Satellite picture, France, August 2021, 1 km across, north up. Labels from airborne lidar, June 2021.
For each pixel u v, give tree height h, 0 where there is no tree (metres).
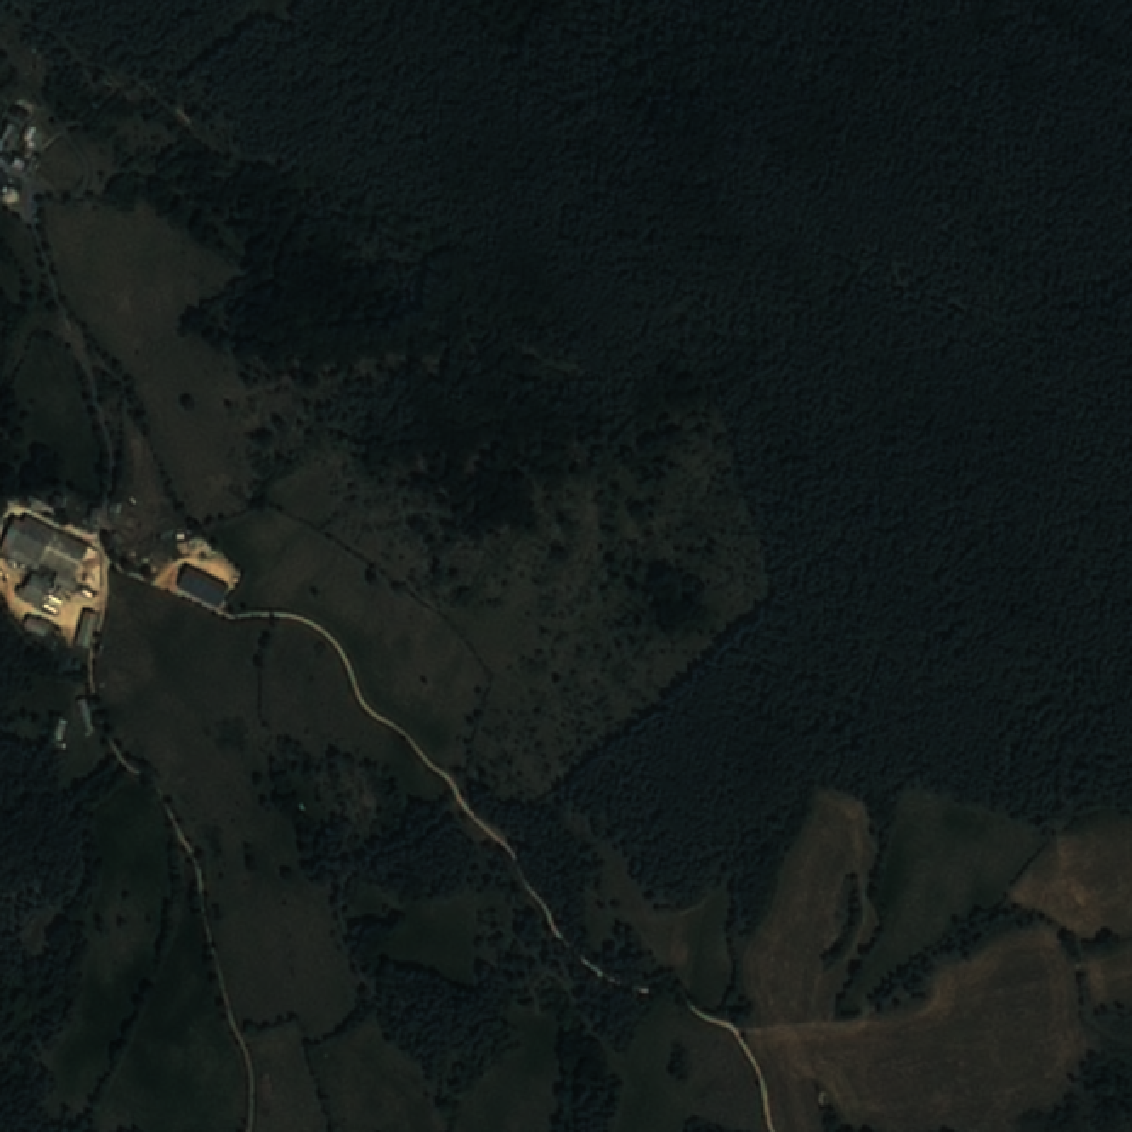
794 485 7
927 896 0
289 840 0
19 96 0
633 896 0
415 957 0
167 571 0
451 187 17
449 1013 18
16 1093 16
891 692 16
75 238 0
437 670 0
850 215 13
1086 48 15
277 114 16
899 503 15
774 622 14
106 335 0
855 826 0
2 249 15
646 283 15
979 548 15
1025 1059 0
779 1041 0
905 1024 0
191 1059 0
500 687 0
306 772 10
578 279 14
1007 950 0
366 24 18
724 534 7
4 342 6
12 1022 13
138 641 0
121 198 10
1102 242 15
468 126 16
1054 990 0
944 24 17
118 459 10
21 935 12
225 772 0
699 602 15
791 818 14
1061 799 13
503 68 15
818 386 10
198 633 0
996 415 15
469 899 0
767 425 16
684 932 0
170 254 0
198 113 13
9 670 15
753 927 7
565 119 16
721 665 14
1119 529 15
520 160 15
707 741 16
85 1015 0
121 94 7
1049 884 0
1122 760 14
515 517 13
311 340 17
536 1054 0
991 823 0
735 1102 0
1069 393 12
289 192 13
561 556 15
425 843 16
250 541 0
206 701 0
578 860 11
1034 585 17
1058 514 12
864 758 20
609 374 19
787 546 14
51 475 9
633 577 6
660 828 13
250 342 13
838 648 17
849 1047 0
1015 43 16
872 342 15
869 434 17
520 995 7
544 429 15
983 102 17
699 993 0
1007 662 16
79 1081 0
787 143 16
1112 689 16
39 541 0
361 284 19
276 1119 0
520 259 16
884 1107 0
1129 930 0
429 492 15
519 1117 0
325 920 0
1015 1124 0
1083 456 14
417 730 0
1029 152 13
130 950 0
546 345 13
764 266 17
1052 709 11
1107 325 18
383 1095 0
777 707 15
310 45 17
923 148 14
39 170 0
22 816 18
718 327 17
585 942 9
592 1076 12
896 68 14
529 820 17
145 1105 0
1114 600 12
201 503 0
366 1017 7
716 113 13
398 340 16
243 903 0
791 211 13
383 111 14
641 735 13
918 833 0
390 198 11
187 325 12
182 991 0
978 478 12
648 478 14
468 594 10
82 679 9
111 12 14
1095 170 15
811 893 0
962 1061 0
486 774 11
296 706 0
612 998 15
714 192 14
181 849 10
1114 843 0
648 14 10
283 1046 0
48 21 14
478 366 13
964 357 14
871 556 14
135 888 0
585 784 12
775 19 17
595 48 18
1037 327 7
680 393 21
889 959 0
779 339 18
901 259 9
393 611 0
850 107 17
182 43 15
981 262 11
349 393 10
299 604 0
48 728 7
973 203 15
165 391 0
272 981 0
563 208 12
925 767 13
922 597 20
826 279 15
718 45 15
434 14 15
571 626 0
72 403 0
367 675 0
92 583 0
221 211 9
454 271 17
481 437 17
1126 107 13
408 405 16
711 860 12
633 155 14
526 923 12
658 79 15
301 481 0
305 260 13
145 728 0
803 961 0
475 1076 9
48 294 8
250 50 15
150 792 13
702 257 15
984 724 15
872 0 16
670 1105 0
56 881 13
